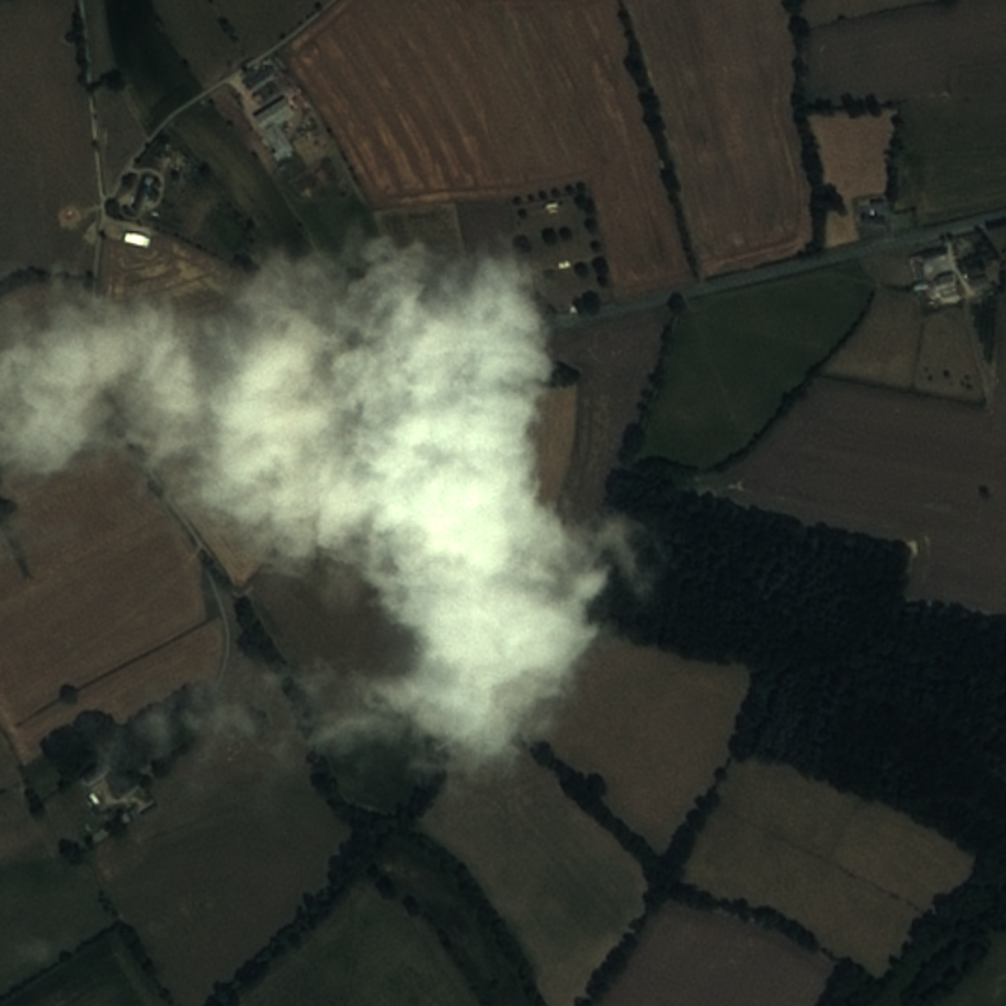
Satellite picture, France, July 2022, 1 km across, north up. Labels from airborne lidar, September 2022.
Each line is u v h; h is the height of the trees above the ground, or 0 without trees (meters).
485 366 0
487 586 0
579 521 0
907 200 0
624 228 0
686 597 30
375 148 0
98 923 0
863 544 16
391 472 0
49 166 0
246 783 0
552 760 15
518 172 0
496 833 0
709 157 0
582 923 0
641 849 17
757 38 0
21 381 0
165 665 0
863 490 0
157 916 0
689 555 13
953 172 0
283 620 0
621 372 0
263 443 0
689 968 0
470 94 0
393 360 0
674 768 0
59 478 0
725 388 0
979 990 0
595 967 0
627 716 0
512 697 0
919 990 11
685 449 0
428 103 0
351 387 0
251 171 0
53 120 0
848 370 0
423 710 0
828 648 27
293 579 0
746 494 0
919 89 0
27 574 0
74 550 0
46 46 0
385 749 0
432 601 0
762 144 0
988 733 24
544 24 0
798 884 0
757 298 0
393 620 0
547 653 0
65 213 0
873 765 22
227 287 0
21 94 0
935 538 0
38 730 0
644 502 14
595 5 0
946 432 0
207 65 0
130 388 0
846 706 24
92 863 0
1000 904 15
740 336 0
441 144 0
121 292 0
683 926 0
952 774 26
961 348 0
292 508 0
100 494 0
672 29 0
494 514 9
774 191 0
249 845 0
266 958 8
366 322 0
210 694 25
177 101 0
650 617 23
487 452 0
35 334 0
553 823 0
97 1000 0
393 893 14
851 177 0
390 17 0
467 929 0
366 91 0
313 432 0
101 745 25
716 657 19
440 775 20
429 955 0
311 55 0
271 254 0
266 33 0
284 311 0
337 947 0
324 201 0
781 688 27
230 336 0
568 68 0
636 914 0
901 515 0
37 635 0
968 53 0
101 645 0
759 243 0
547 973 0
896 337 0
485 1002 6
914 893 0
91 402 0
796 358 0
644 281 0
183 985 0
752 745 15
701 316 0
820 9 0
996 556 0
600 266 15
